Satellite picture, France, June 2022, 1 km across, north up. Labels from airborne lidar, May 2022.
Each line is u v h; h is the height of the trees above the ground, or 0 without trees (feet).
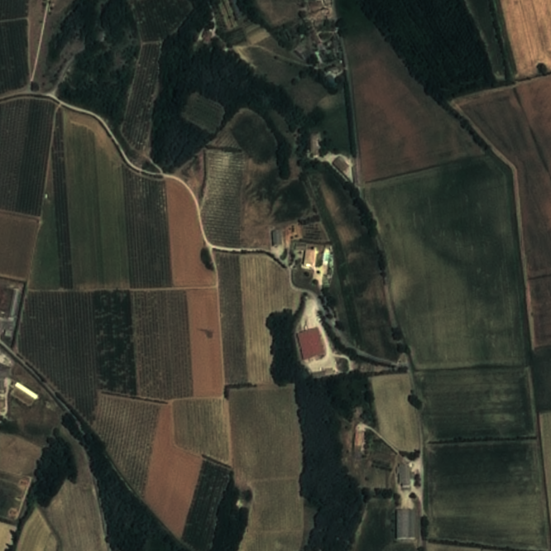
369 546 0
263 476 0
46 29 0
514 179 0
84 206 0
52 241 0
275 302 0
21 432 0
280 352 55
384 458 0
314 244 24
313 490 55
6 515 0
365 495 63
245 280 0
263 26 25
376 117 0
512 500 0
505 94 0
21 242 0
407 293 0
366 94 0
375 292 0
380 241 0
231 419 0
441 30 23
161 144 44
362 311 0
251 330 0
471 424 0
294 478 0
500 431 0
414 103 0
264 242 0
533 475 0
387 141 0
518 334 0
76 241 0
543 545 0
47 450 36
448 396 0
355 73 0
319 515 35
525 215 0
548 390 0
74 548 0
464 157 0
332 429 51
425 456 0
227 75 49
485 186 0
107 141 0
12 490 0
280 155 55
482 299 0
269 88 45
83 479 0
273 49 0
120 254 0
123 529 44
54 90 0
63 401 37
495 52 0
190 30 56
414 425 0
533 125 0
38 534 0
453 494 0
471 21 47
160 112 56
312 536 38
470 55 35
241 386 43
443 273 0
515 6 0
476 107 0
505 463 0
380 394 0
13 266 0
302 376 46
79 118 0
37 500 25
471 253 0
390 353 0
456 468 0
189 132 37
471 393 0
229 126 0
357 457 0
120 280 0
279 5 0
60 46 23
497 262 0
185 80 42
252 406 0
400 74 0
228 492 38
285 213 0
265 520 0
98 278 0
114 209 0
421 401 30
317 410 59
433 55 31
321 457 54
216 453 0
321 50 18
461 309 0
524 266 0
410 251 0
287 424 0
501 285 0
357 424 0
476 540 0
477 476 0
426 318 0
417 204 0
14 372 0
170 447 0
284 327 65
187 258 0
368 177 0
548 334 0
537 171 0
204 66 29
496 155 0
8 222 0
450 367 0
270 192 0
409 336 0
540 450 0
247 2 76
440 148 0
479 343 0
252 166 0
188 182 0
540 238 0
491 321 0
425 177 0
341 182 33
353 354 26
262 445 0
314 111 18
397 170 0
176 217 0
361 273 0
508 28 0
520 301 0
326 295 44
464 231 0
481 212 0
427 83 32
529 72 0
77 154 0
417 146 0
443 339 0
